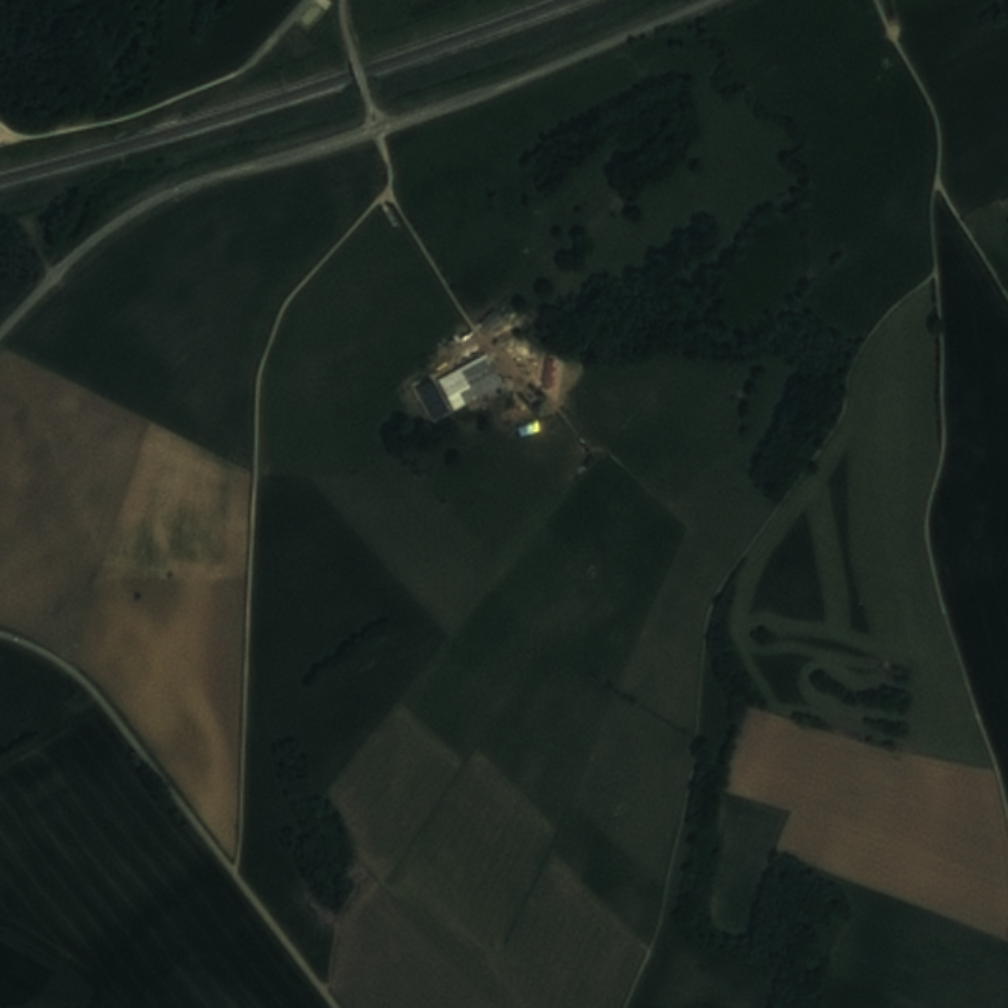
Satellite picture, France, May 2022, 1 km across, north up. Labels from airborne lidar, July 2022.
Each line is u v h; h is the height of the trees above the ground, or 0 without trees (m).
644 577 0
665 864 0
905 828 0
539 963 0
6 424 0
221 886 0
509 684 0
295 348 0
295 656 0
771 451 14
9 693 0
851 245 0
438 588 0
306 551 0
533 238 0
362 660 0
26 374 0
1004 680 0
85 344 0
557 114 0
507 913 0
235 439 0
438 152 0
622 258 0
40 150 0
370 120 0
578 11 0
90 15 26
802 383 19
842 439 0
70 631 0
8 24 15
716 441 0
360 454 0
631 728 0
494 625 0
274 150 0
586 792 0
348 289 0
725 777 16
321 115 0
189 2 0
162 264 0
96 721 0
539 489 0
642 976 0
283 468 0
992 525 0
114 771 0
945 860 0
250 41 0
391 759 0
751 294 0
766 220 7
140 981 0
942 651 0
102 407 0
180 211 0
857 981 0
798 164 13
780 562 0
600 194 0
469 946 0
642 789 0
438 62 0
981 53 0
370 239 0
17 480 0
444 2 0
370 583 0
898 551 0
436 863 0
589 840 0
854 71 0
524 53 0
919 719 0
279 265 0
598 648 0
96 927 0
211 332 0
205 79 0
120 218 0
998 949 0
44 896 0
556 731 0
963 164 0
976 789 0
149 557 0
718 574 0
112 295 0
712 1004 0
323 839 12
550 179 9
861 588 0
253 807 0
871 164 0
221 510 0
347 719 0
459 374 0
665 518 0
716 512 0
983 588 0
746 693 17
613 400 0
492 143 0
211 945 0
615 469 0
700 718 0
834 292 0
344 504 0
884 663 0
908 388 0
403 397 0
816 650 0
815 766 0
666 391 0
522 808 0
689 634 0
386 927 0
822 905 12
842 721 0
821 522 0
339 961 0
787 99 0
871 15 0
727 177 0
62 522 0
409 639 0
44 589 0
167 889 0
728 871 0
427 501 0
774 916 15
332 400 0
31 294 0
